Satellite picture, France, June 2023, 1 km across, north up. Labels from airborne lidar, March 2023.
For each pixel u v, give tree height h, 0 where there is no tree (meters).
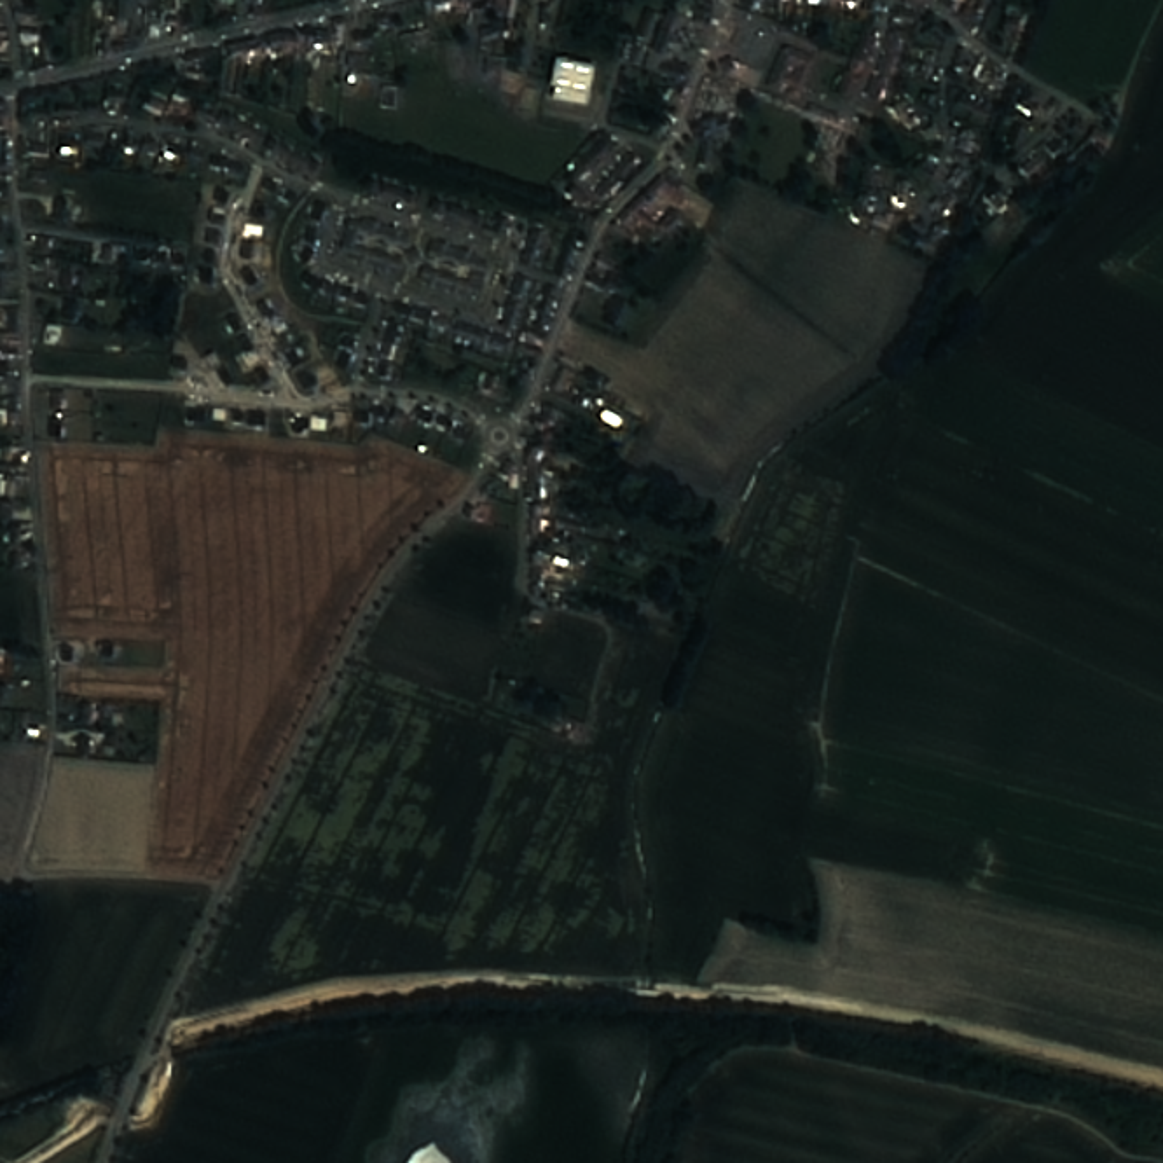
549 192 9
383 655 0
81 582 0
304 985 0
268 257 0
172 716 0
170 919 0
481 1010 7
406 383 0
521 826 0
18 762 0
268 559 0
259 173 0
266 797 0
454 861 0
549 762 0
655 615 0
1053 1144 0
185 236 0
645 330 0
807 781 0
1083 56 0
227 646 0
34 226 0
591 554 0
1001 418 0
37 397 0
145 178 0
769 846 0
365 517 0
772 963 0
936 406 0
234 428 0
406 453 0
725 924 0
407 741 0
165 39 0
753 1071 0
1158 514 0
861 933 0
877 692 0
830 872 0
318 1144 0
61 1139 0
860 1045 7
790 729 0
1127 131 0
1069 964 0
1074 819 0
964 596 0
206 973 0
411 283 0
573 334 0
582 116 0
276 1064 0
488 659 0
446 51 0
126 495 0
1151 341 0
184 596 0
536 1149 0
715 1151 0
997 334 0
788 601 0
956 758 0
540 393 0
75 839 0
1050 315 0
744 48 0
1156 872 0
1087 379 0
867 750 0
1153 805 0
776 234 0
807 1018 11
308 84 0
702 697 0
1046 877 0
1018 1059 6
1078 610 0
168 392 0
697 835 0
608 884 0
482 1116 0
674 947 0
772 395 0
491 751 0
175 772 0
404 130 0
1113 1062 0
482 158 0
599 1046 0
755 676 0
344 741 0
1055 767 0
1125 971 0
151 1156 0
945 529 0
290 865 0
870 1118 0
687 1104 13
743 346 0
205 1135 0
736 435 0
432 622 0
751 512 0
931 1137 0
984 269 0
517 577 0
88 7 0
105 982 0
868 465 0
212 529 0
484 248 0
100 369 0
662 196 0
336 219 0
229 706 0
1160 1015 0
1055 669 0
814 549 0
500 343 0
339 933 0
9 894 23
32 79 0
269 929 0
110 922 0
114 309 0
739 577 0
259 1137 0
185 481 0
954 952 0
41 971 0
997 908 0
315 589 0
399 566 0
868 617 0
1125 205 0
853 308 0
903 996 0
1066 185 16
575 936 0
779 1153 0
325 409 0
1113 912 0
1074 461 0
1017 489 0
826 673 0
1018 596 0
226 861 0
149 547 0
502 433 0
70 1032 0
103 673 0
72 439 0
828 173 0
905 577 0
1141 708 0
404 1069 0
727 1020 11
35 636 0
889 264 0
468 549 0
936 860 0
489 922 0
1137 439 0
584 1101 0
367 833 0
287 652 0
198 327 0
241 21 0
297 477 0
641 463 0
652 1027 12
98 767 0
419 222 0
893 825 0
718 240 0
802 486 0
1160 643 0
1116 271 0
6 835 0
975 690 0
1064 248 0
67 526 0
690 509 19
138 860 0
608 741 0
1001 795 0
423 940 0
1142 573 0
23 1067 0
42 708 0
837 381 0
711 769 0
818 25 11
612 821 0
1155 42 0
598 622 0
